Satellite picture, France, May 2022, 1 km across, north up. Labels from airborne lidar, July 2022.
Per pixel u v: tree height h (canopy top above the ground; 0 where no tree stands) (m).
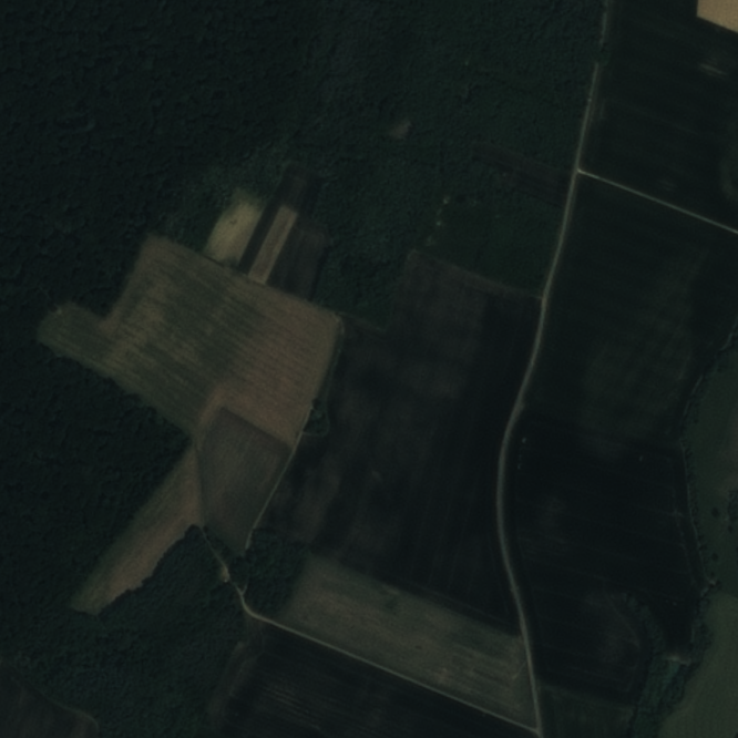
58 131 29
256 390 0
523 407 0
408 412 0
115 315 0
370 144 16
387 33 15
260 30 30
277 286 0
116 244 26
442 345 0
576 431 0
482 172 15
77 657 26
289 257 0
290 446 0
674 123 0
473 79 16
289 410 0
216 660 10
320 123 19
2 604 31
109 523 20
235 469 0
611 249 0
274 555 14
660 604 0
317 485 0
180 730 20
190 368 0
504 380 0
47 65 29
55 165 28
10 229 28
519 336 0
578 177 0
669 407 0
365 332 0
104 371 0
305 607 0
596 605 0
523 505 0
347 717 0
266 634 0
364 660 0
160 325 0
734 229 0
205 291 0
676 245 0
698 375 0
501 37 19
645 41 0
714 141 0
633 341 0
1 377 32
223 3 31
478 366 0
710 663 0
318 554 0
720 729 0
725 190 0
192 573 16
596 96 0
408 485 0
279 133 17
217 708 0
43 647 19
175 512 0
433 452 0
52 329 0
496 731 0
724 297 0
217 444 0
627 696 0
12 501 31
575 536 0
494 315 0
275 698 0
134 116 29
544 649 0
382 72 15
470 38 15
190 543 17
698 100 0
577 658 0
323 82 15
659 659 16
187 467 0
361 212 18
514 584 0
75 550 19
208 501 0
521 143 14
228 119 26
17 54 28
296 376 0
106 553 17
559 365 0
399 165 20
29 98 30
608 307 0
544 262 11
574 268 0
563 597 0
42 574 30
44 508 27
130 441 27
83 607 0
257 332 0
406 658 0
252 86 27
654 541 0
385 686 0
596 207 0
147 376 0
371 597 0
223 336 0
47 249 35
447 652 0
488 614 0
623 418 0
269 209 0
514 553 0
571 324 0
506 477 0
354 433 0
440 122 17
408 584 0
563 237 0
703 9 0
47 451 30
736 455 0
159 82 29
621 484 0
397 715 0
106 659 16
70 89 29
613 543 0
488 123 16
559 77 21
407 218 21
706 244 0
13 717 0
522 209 10
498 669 0
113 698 15
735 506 8
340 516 0
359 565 0
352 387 0
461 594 0
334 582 0
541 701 0
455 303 0
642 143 0
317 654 0
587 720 0
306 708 0
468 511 0
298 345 0
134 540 0
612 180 0
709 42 0
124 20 27
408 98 19
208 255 0
